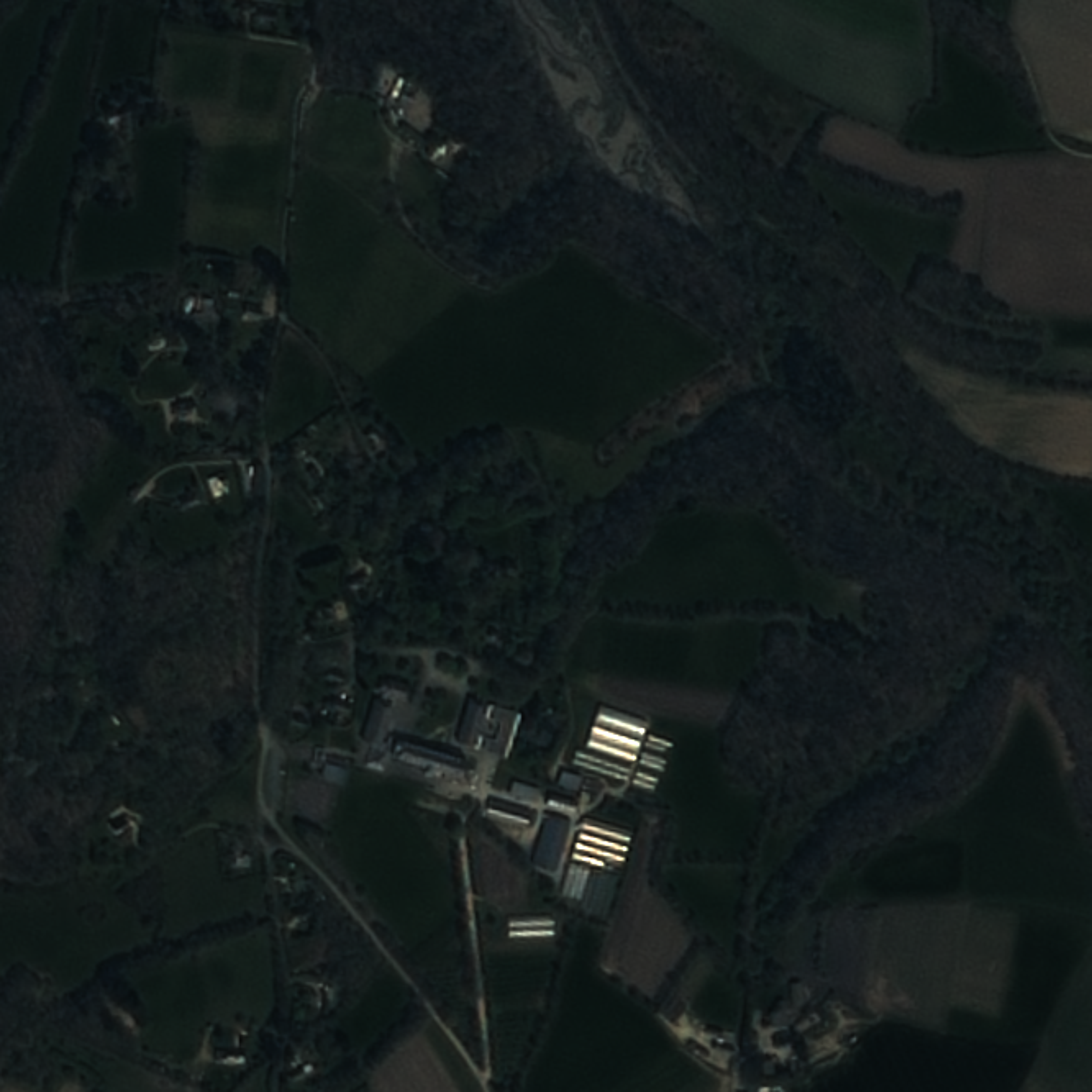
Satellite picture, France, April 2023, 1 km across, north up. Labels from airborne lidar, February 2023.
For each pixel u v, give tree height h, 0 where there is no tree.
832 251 17
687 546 0
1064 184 0
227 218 0
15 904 0
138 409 0
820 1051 0
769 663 13
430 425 0
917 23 0
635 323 0
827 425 32
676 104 17
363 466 13
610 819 0
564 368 0
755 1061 15
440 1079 0
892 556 23
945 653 20
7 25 0
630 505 20
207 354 11
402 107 0
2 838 14
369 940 8
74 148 0
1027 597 17
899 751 12
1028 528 21
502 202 14
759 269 24
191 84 0
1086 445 0
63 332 25
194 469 0
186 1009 0
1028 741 0
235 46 0
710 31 7
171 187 0
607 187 17
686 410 7
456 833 15
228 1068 0
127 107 13
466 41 26
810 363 27
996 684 23
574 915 7
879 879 0
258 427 17
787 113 0
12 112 0
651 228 27
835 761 21
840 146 0
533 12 0
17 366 21
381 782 0
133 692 20
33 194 0
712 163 14
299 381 0
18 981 16
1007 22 0
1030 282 0
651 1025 0
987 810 0
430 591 31
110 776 14
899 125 0
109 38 0
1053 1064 0
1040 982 0
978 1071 0
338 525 15
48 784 14
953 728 26
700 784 0
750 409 22
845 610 0
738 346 13
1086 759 22
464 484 27
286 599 16
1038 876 0
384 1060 13
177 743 15
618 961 0
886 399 22
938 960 0
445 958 0
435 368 0
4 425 21
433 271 0
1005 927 0
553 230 24
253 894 0
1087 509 0
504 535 0
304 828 7
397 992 0
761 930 8
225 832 12
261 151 0
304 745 0
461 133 20
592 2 14
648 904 0
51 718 17
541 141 21
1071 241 0
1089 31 0
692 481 20
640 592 0
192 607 13
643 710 0
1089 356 0
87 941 0
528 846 0
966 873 0
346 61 15
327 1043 8
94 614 18
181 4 13
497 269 20
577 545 14
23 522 20
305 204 0
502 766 0
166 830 16
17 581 23
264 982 0
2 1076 8
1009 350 12
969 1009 0
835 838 20
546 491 12
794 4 0
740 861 11
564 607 29
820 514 21
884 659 17
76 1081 8
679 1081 0
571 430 0
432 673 0
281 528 9
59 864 14
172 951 11
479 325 0
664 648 0
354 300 0
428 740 0
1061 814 0
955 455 21
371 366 0
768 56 0
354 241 0
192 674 15
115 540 0
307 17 14
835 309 16
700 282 21
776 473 20
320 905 6
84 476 15
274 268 19
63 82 0
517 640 10
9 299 22
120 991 20
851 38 0
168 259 0
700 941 7
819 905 11
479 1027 11
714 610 9
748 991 16
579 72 0
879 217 0
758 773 18
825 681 19
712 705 0
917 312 14
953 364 14
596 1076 0
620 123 0
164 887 0
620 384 0
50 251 0
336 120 0
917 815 16
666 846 10
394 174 0
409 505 14
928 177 0
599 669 0
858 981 0
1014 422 0
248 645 8
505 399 0
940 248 0
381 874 0
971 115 0
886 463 0
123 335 18
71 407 20
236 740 12
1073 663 13
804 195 20
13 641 18
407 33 19
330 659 16
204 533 0
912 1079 0
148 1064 11
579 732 0
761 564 0
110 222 0
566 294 0
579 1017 0
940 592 23
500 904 0
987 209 0
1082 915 0
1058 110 0
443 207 11
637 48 14
